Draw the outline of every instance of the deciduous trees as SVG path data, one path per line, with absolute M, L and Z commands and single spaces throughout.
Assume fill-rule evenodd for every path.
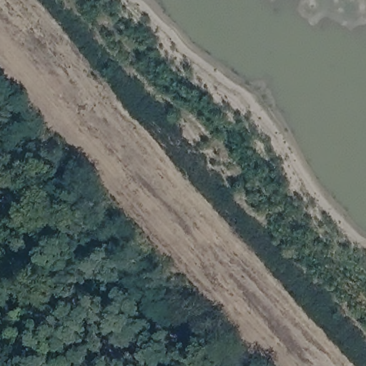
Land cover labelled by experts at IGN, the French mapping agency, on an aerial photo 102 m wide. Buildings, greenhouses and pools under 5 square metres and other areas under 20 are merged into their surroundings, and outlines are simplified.
M 7 77 L 0 67 L 0 189 L 10 189 L 14 192 L 10 214 L 0 220 L 0 257 L 11 250 L 17 252 L 23 247 L 24 233 L 33 237 L 34 243 L 37 244 L 37 247 L 30 250 L 29 264 L 21 269 L 17 276 L 0 282 L 0 366 L 89 366 L 84 362 L 84 357 L 90 350 L 97 352 L 100 349 L 97 333 L 106 335 L 109 332 L 113 332 L 109 339 L 110 345 L 127 347 L 130 343 L 136 343 L 137 352 L 133 355 L 126 353 L 120 359 L 113 359 L 107 366 L 250 366 L 253 362 L 252 353 L 244 352 L 243 347 L 247 342 L 240 337 L 239 327 L 233 325 L 229 316 L 224 313 L 223 306 L 220 303 L 216 305 L 199 293 L 186 274 L 172 272 L 172 256 L 157 252 L 149 234 L 144 233 L 139 224 L 120 209 L 116 197 L 107 192 L 96 166 L 90 162 L 86 166 L 79 166 L 77 162 L 69 162 L 63 176 L 57 177 L 56 172 L 63 152 L 54 149 L 47 152 L 36 147 L 36 139 L 47 140 L 56 133 L 47 127 L 40 110 L 31 104 L 23 84 Z M 117 246 L 102 244 L 102 247 L 96 247 L 94 253 L 84 259 L 74 254 L 76 247 L 81 244 L 86 244 L 90 240 L 106 240 L 112 236 L 119 240 Z M 47 303 L 51 296 L 73 295 L 74 289 L 67 286 L 67 283 L 84 283 L 87 279 L 100 280 L 100 290 L 106 290 L 107 282 L 123 283 L 129 289 L 127 293 L 112 289 L 109 295 L 113 300 L 112 305 L 100 306 L 100 297 L 96 296 L 79 296 L 79 306 L 74 310 L 69 303 L 60 302 L 56 309 Z M 179 326 L 184 322 L 192 330 L 190 345 L 177 343 L 173 347 L 173 352 L 167 352 L 166 336 L 170 326 Z
M 103 46 L 124 70 L 129 66 L 134 67 L 149 80 L 154 89 L 172 96 L 169 102 L 172 104 L 172 110 L 167 116 L 167 122 L 180 126 L 180 112 L 184 109 L 189 110 L 209 130 L 206 136 L 207 143 L 213 142 L 214 139 L 222 140 L 230 159 L 236 160 L 237 166 L 240 167 L 240 174 L 227 177 L 230 184 L 226 186 L 234 196 L 236 193 L 246 194 L 246 203 L 266 217 L 266 226 L 274 236 L 273 246 L 277 244 L 282 247 L 283 257 L 300 267 L 303 273 L 309 274 L 313 283 L 322 285 L 322 289 L 329 292 L 337 305 L 347 302 L 347 307 L 366 327 L 366 279 L 353 277 L 352 270 L 347 269 L 345 262 L 336 262 L 329 257 L 332 244 L 320 239 L 319 233 L 312 229 L 310 216 L 309 213 L 303 212 L 300 206 L 295 206 L 293 197 L 289 194 L 290 190 L 289 180 L 283 170 L 282 157 L 276 154 L 269 160 L 260 157 L 252 140 L 247 137 L 247 129 L 243 122 L 229 122 L 219 104 L 214 103 L 209 91 L 196 86 L 192 81 L 173 71 L 167 59 L 163 59 L 160 51 L 156 49 L 159 37 L 150 29 L 149 14 L 143 11 L 137 23 L 132 19 L 124 19 L 119 13 L 126 10 L 126 6 L 120 0 L 73 0 L 81 13 L 79 19 L 86 23 L 87 29 L 93 33 L 94 40 Z

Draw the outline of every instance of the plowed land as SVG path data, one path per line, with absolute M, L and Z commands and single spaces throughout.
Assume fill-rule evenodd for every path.
M 223 306 L 224 313 L 229 316 L 233 325 L 239 327 L 240 337 L 247 342 L 243 347 L 244 352 L 252 353 L 253 362 L 250 366 L 355 366 L 303 312 L 302 307 L 297 305 L 279 280 L 274 279 L 253 250 L 233 233 L 229 224 L 213 209 L 212 204 L 194 189 L 189 180 L 184 179 L 159 143 L 124 109 L 116 94 L 110 89 L 109 83 L 100 77 L 100 71 L 91 69 L 89 61 L 84 59 L 83 54 L 71 43 L 70 37 L 64 33 L 60 24 L 50 16 L 49 11 L 44 9 L 39 0 L 0 0 L 0 67 L 7 77 L 23 84 L 31 104 L 40 110 L 47 127 L 56 133 L 63 136 L 71 146 L 80 147 L 90 162 L 96 166 L 107 192 L 116 197 L 120 209 L 139 224 L 144 233 L 149 234 L 157 252 L 172 256 L 172 272 L 186 274 L 199 293 L 216 305 L 220 303 Z

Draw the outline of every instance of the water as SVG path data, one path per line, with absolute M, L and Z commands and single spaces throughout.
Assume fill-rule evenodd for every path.
M 355 29 L 347 29 L 335 20 L 322 17 L 319 23 L 312 26 L 305 17 L 300 16 L 299 4 L 302 0 L 154 0 L 169 20 L 167 24 L 176 27 L 184 39 L 189 40 L 200 53 L 207 54 L 214 63 L 219 63 L 224 69 L 232 71 L 246 84 L 249 81 L 266 83 L 267 89 L 272 91 L 276 109 L 282 114 L 295 139 L 297 154 L 306 163 L 307 170 L 325 194 L 327 202 L 335 206 L 337 212 L 352 224 L 360 236 L 366 237 L 366 24 Z

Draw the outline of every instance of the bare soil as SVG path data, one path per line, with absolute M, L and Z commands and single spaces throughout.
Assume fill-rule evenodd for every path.
M 163 59 L 167 59 L 173 57 L 174 63 L 180 64 L 186 54 L 187 61 L 193 69 L 192 81 L 196 86 L 209 91 L 214 103 L 219 104 L 226 100 L 242 114 L 252 112 L 253 123 L 260 133 L 270 137 L 276 154 L 282 157 L 283 170 L 289 180 L 290 190 L 297 192 L 300 184 L 305 183 L 307 192 L 316 200 L 315 207 L 309 207 L 309 213 L 310 216 L 322 219 L 322 212 L 326 210 L 342 233 L 349 237 L 349 242 L 356 242 L 357 247 L 366 247 L 366 237 L 360 236 L 352 224 L 337 212 L 335 206 L 327 202 L 325 194 L 307 170 L 306 163 L 297 154 L 295 139 L 282 114 L 276 109 L 272 91 L 267 89 L 266 83 L 249 81 L 246 84 L 232 71 L 224 69 L 219 63 L 214 63 L 207 54 L 200 53 L 189 40 L 184 39 L 176 27 L 167 24 L 169 20 L 154 0 L 130 0 L 139 4 L 140 10 L 143 11 L 149 14 L 150 29 L 159 37 L 156 49 L 160 51 Z
M 312 26 L 319 23 L 322 17 L 335 20 L 347 29 L 355 29 L 366 24 L 366 0 L 302 0 L 299 4 L 300 16 L 305 17 Z

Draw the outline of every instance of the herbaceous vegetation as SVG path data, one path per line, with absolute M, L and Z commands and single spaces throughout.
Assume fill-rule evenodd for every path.
M 130 0 L 120 0 L 126 6 L 126 10 L 119 13 L 124 19 L 132 19 L 137 23 L 143 11 L 140 10 L 139 4 Z
M 157 102 L 169 102 L 172 96 L 154 89 L 149 80 L 134 67 L 129 66 L 124 70 L 130 76 L 137 77 L 144 90 L 149 91 Z
M 74 310 L 79 306 L 79 296 L 96 296 L 100 297 L 100 306 L 112 305 L 113 300 L 109 295 L 112 289 L 127 293 L 129 289 L 123 283 L 107 282 L 106 290 L 100 290 L 100 280 L 87 279 L 84 283 L 67 283 L 67 286 L 74 289 L 73 295 L 51 296 L 47 303 L 56 309 L 60 302 L 69 303 Z
M 204 149 L 207 169 L 216 170 L 223 177 L 223 184 L 226 186 L 230 184 L 227 177 L 240 174 L 240 167 L 237 166 L 236 160 L 230 159 L 222 140 L 214 139 L 213 142 L 207 143 Z
M 173 347 L 177 343 L 190 345 L 192 330 L 184 322 L 179 326 L 170 326 L 166 336 L 167 352 L 173 352 Z
M 0 189 L 0 220 L 10 214 L 14 192 L 10 189 Z
M 119 240 L 112 236 L 106 240 L 90 240 L 86 244 L 81 244 L 76 247 L 74 254 L 84 259 L 94 253 L 96 247 L 102 247 L 102 244 L 117 246 Z
M 234 202 L 239 204 L 244 212 L 262 226 L 266 226 L 266 217 L 246 203 L 246 194 L 236 193 L 234 196 Z
M 24 233 L 23 247 L 17 252 L 11 250 L 0 257 L 0 282 L 17 276 L 21 269 L 29 264 L 30 250 L 37 247 L 37 244 L 34 243 L 33 237 Z
M 97 333 L 100 349 L 97 352 L 90 350 L 84 357 L 84 362 L 89 366 L 107 366 L 113 359 L 120 359 L 126 353 L 133 355 L 137 352 L 136 343 L 130 343 L 127 347 L 110 345 L 109 339 L 113 332 L 109 332 L 106 335 Z
M 189 143 L 196 142 L 200 136 L 206 136 L 209 130 L 189 110 L 184 109 L 180 112 L 180 126 L 184 139 L 189 140 Z

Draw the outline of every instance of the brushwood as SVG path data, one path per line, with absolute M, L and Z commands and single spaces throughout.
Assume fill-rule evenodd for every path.
M 300 206 L 303 212 L 309 213 L 309 207 L 315 207 L 316 200 L 307 192 L 305 183 L 300 184 L 297 192 L 290 190 L 289 194 L 293 197 L 295 206 Z
M 319 233 L 320 239 L 332 244 L 329 257 L 336 262 L 345 262 L 347 269 L 352 270 L 353 277 L 366 279 L 366 247 L 357 247 L 356 242 L 349 242 L 349 237 L 342 233 L 326 210 L 322 212 L 322 219 L 310 216 L 312 229 Z
M 193 69 L 187 61 L 186 54 L 180 64 L 174 63 L 173 57 L 167 59 L 173 71 L 192 81 Z
M 247 129 L 247 137 L 252 140 L 260 157 L 269 160 L 276 154 L 270 137 L 260 133 L 253 123 L 252 112 L 242 114 L 226 100 L 219 104 L 229 122 L 243 122 Z
M 137 77 L 130 76 L 124 70 L 103 46 L 94 40 L 93 33 L 87 29 L 86 23 L 79 19 L 81 13 L 73 0 L 39 0 L 44 9 L 49 11 L 50 16 L 60 24 L 64 33 L 70 37 L 71 43 L 83 54 L 84 59 L 89 61 L 91 69 L 100 71 L 100 77 L 109 83 L 110 89 L 116 94 L 124 109 L 159 143 L 184 179 L 189 180 L 194 189 L 212 204 L 213 209 L 229 224 L 233 233 L 253 250 L 274 279 L 279 280 L 297 305 L 302 307 L 303 312 L 355 366 L 366 366 L 366 327 L 347 307 L 347 302 L 337 305 L 329 292 L 322 289 L 322 285 L 313 283 L 309 274 L 303 273 L 300 267 L 283 257 L 282 247 L 277 244 L 273 246 L 274 236 L 266 226 L 262 226 L 244 212 L 239 204 L 234 202 L 234 196 L 226 186 L 223 184 L 223 177 L 216 170 L 207 169 L 204 149 L 207 143 L 206 136 L 200 136 L 196 142 L 189 143 L 189 140 L 184 139 L 180 126 L 167 122 L 167 116 L 172 110 L 172 104 L 169 102 L 157 102 L 149 91 L 144 90 Z
M 63 152 L 56 172 L 57 177 L 63 176 L 69 162 L 77 162 L 79 166 L 86 166 L 90 162 L 80 147 L 71 146 L 63 136 L 56 133 L 47 140 L 36 139 L 36 147 L 47 152 L 54 149 Z

